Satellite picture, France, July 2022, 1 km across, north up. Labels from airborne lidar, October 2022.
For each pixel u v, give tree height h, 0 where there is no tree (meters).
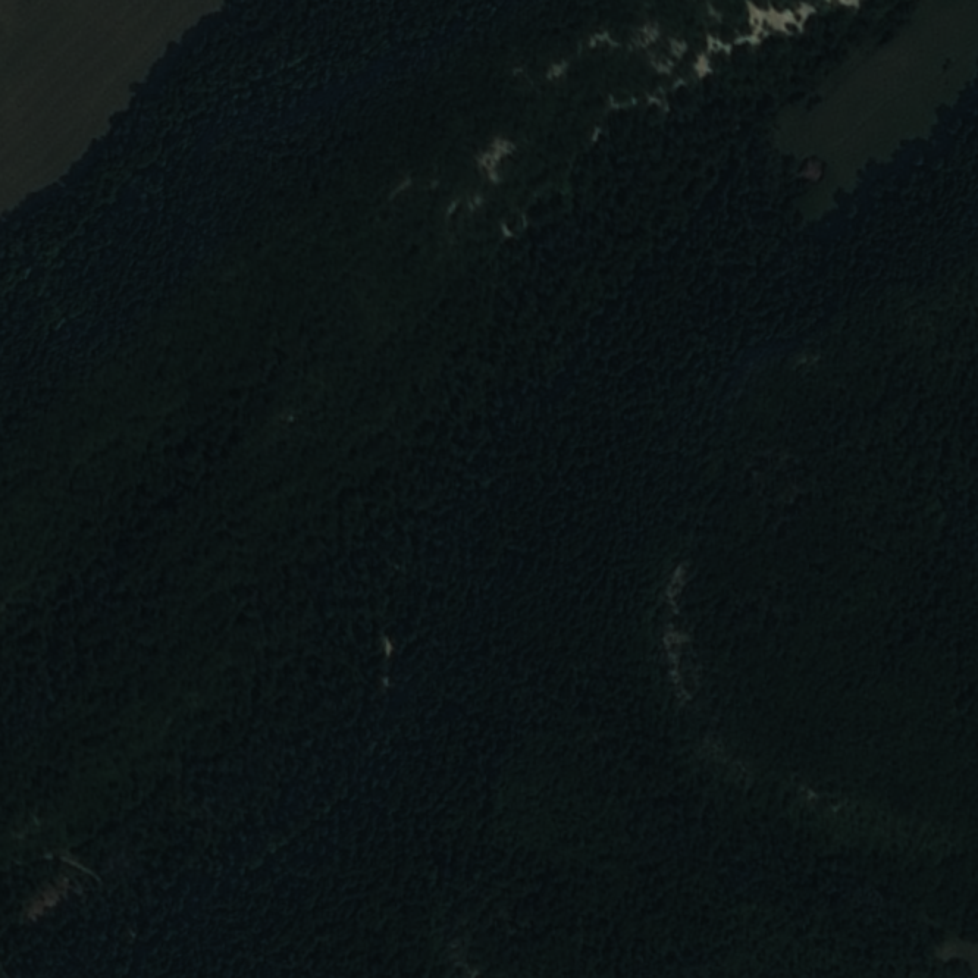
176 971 18
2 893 29
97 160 23
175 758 24
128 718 15
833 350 10
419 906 21
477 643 26
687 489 22
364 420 19
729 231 30
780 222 30
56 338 21
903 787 13
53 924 11
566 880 15
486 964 7
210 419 27
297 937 22
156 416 19
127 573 25
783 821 22
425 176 12
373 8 26
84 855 14
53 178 0
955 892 15
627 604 22
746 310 29
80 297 24
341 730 22
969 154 28
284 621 18
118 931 12
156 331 10
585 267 24
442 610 23
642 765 24
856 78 0
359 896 20
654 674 17
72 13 0
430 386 23
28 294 25
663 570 19
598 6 9
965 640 22
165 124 24
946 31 0
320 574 19
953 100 0
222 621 24
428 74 17
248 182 19
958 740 15
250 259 12
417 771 19
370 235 11
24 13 0
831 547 17
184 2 0
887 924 8
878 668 24
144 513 30
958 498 18
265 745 24
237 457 13
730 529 16
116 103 0
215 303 14
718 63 18
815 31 22
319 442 18
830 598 18
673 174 17
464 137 8
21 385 17
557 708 25
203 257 10
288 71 26
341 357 15
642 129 26
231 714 20
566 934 19
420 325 21
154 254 20
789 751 13
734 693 12
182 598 24
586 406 26
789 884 9
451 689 29
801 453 14
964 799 18
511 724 24
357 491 26
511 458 24
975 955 0
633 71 12
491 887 17
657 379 26
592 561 26
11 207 0
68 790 14
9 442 13
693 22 14
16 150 0
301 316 15
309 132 21
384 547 23
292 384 11
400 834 28
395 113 24
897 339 14
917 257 24
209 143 13
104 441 6
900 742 7
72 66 0
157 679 22
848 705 15
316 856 26
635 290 28
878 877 16
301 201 15
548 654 18
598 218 31
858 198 7
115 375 8
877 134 0
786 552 18
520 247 25
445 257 9
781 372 9
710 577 14
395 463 15
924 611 22
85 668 28
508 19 18
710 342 26
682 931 23
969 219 14
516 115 12
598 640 20
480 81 14
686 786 18
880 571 17
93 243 25
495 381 11
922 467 20
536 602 23
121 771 11
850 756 9
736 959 9
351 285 14
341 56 32
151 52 0
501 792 21
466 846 24
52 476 11
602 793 21
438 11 27
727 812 19
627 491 26
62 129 0
